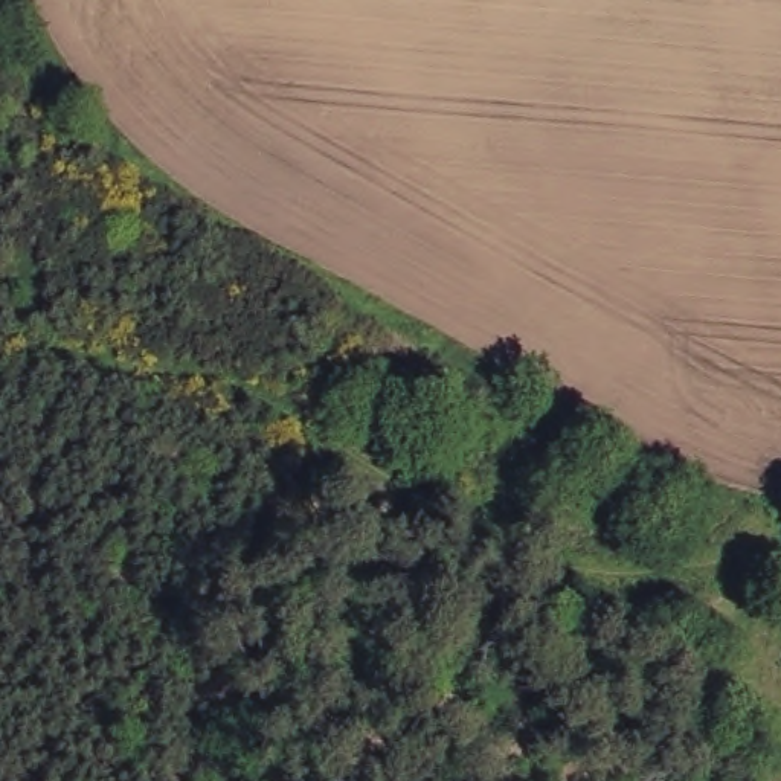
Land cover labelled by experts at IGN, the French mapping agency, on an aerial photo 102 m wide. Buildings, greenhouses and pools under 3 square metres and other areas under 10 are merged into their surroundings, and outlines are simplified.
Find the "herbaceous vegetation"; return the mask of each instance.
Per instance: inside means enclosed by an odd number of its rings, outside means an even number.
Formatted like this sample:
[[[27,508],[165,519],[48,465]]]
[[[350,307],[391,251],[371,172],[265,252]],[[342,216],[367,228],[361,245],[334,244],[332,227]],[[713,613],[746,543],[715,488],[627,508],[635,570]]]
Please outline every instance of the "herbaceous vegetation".
[[[747,616],[741,607],[735,607],[729,616],[738,641],[723,671],[729,671],[738,683],[750,686],[763,699],[763,726],[772,738],[769,750],[760,754],[760,760],[754,760],[750,766],[754,781],[781,781],[781,574],[772,589],[772,613]]]
[[[0,73],[27,76],[27,98],[40,110],[49,110],[64,88],[76,88],[76,110],[70,110],[70,125],[82,140],[107,146],[153,183],[168,186],[171,180],[110,122],[101,88],[82,82],[70,67],[61,64],[61,55],[34,0],[0,0]]]
[[[275,485],[262,497],[262,506],[256,513],[241,513],[232,525],[214,525],[198,534],[171,528],[171,558],[180,561],[180,567],[174,567],[162,580],[162,589],[149,604],[159,619],[153,644],[186,650],[201,644],[204,638],[211,601],[217,592],[226,589],[223,577],[229,570],[229,549],[235,543],[244,546],[244,564],[259,561],[265,552],[287,555],[296,546],[302,546],[302,522],[317,509],[311,500],[314,491],[320,491],[323,479],[336,476],[342,467],[351,473],[348,497],[369,497],[372,491],[387,488],[384,467],[372,464],[366,445],[348,445],[342,455],[336,455],[333,448],[311,448],[302,442],[284,442],[275,448],[268,455],[268,473]]]
[[[387,326],[403,351],[421,348],[439,357],[442,384],[464,387],[467,378],[476,372],[476,357],[482,351],[464,348],[452,336],[394,308],[391,302],[372,296],[348,278],[329,275],[326,287],[339,296],[336,305],[314,317],[293,317],[299,342],[320,354],[308,366],[308,384],[296,391],[296,397],[287,391],[287,381],[247,378],[241,372],[232,372],[229,366],[198,363],[180,354],[116,354],[101,342],[92,342],[88,348],[79,339],[67,339],[64,345],[64,351],[70,351],[73,357],[95,354],[104,366],[134,372],[186,372],[189,394],[204,391],[217,397],[217,403],[204,415],[223,415],[232,403],[232,391],[244,391],[247,397],[268,403],[268,421],[299,418],[302,424],[308,415],[320,409],[323,397],[333,387],[348,381],[363,363],[369,363],[366,351],[351,351],[348,357],[339,357],[339,345],[333,342],[336,333],[357,314],[369,314],[381,326]]]

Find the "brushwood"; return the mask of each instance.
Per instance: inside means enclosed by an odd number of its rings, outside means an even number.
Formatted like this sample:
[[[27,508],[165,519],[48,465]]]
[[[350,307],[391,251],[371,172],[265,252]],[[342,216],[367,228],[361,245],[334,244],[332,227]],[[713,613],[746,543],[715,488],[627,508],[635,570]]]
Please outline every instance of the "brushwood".
[[[268,403],[247,397],[244,391],[232,391],[232,403],[223,415],[204,415],[217,403],[217,397],[204,391],[189,394],[186,372],[134,372],[104,366],[95,354],[73,357],[70,351],[64,351],[64,345],[67,339],[79,339],[88,348],[92,342],[101,342],[116,354],[180,354],[198,363],[229,366],[232,372],[241,372],[247,378],[287,381],[287,391],[296,397],[296,391],[308,384],[308,366],[320,354],[299,342],[293,317],[314,317],[336,305],[339,296],[326,287],[329,275],[311,265],[311,259],[296,256],[272,244],[268,238],[226,220],[220,211],[207,207],[171,180],[168,186],[153,183],[107,146],[82,140],[70,125],[70,110],[76,110],[76,88],[64,88],[49,110],[40,110],[27,98],[27,76],[0,73],[0,781],[256,781],[253,760],[238,738],[223,738],[220,732],[189,726],[186,711],[192,705],[192,686],[201,683],[201,677],[198,668],[192,668],[186,650],[153,644],[159,619],[149,604],[162,589],[162,580],[174,567],[180,567],[180,561],[171,558],[171,528],[198,534],[214,525],[232,525],[241,513],[256,513],[262,506],[262,497],[275,485],[268,473],[268,455],[275,448],[262,439],[268,421]]]

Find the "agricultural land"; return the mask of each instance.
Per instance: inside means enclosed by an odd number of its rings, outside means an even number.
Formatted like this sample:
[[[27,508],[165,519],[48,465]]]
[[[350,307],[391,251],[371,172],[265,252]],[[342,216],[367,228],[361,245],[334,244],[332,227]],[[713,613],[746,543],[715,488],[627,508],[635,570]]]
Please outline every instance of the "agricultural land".
[[[272,244],[296,256],[311,259],[311,265],[329,275],[348,278],[372,296],[391,302],[394,308],[452,336],[464,348],[482,351],[500,339],[516,339],[525,354],[543,354],[567,387],[574,387],[586,403],[607,409],[644,442],[674,445],[686,461],[705,464],[711,479],[720,485],[757,491],[769,503],[781,497],[781,0],[34,0],[61,55],[61,64],[70,67],[82,82],[101,88],[110,122],[171,180],[207,207],[220,211],[226,220],[268,238]]]

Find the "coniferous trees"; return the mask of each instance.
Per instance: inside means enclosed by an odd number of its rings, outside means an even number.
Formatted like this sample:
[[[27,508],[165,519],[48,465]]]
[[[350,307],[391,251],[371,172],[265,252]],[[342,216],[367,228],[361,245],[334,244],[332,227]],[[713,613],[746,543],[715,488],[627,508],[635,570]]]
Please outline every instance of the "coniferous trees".
[[[644,442],[607,409],[586,403],[574,387],[567,387],[543,354],[525,354],[516,339],[500,339],[482,351],[476,357],[476,372],[467,378],[464,387],[442,384],[439,357],[421,348],[403,351],[387,326],[381,326],[369,314],[357,314],[336,333],[333,342],[339,345],[339,357],[348,357],[351,351],[366,351],[369,363],[363,363],[348,381],[333,387],[323,397],[320,409],[308,415],[302,424],[299,418],[268,421],[262,439],[275,448],[284,442],[302,442],[311,448],[333,448],[336,455],[342,455],[348,445],[366,445],[372,464],[384,467],[387,488],[372,491],[369,497],[348,497],[351,473],[342,467],[336,476],[323,479],[320,491],[314,491],[311,500],[317,509],[302,522],[302,546],[296,546],[287,555],[265,552],[259,561],[244,564],[244,546],[235,543],[229,549],[229,570],[223,577],[226,589],[217,592],[211,601],[204,638],[201,644],[186,650],[192,668],[198,668],[201,677],[201,683],[192,686],[192,705],[186,711],[189,726],[220,732],[223,738],[238,738],[253,760],[256,781],[754,781],[750,766],[754,760],[760,760],[760,754],[769,750],[772,738],[763,726],[763,699],[750,686],[738,683],[729,671],[723,671],[738,641],[729,616],[735,607],[741,607],[747,616],[772,613],[772,589],[781,574],[781,497],[769,503],[757,491],[720,485],[711,479],[705,464],[686,461],[674,445]]]

